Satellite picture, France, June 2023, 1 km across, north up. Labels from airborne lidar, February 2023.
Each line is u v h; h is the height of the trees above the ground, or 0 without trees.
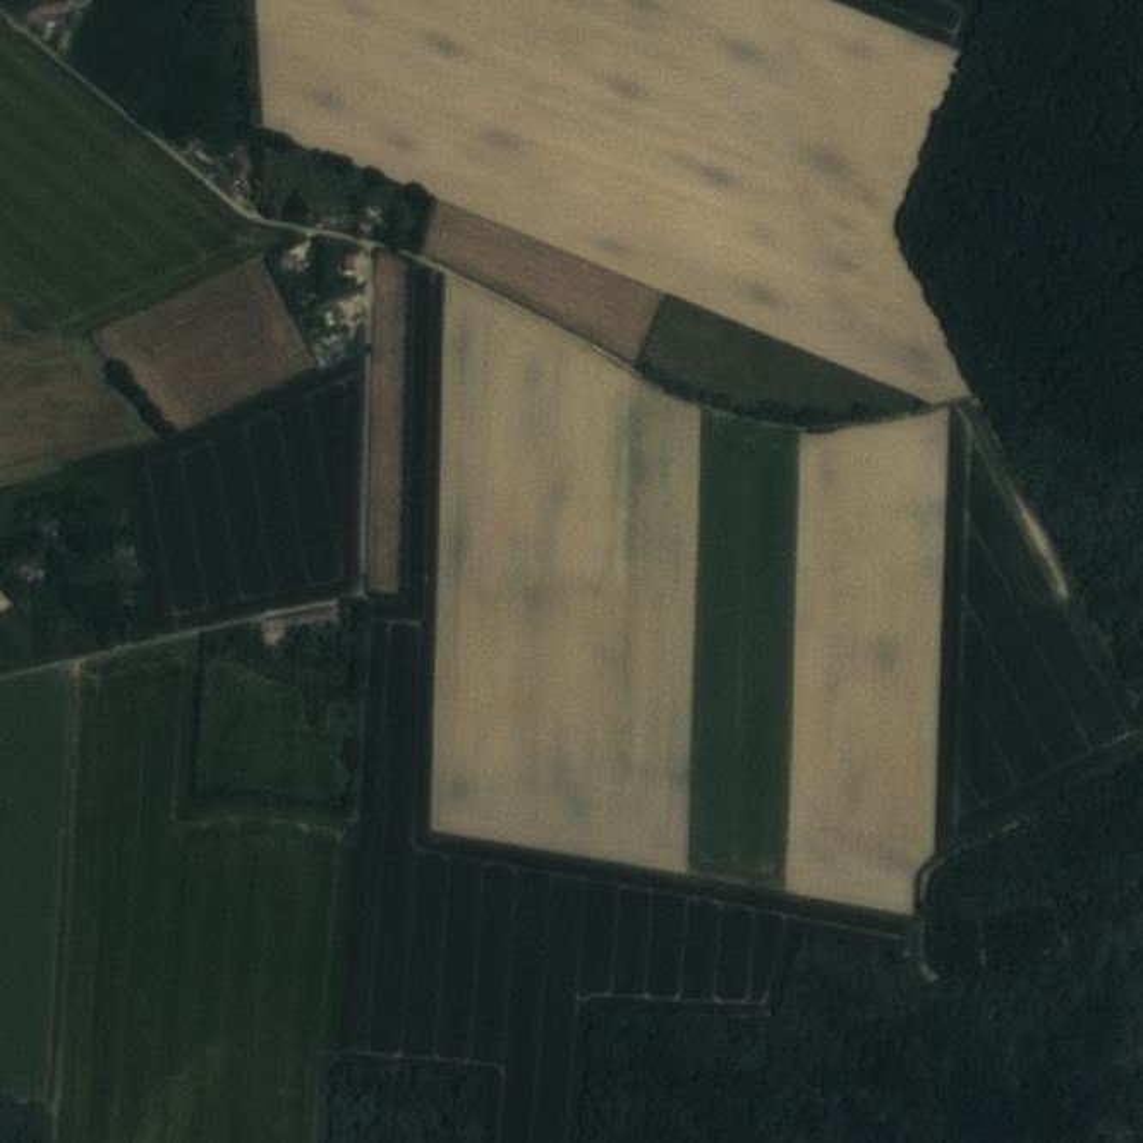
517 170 0
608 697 0
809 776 0
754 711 0
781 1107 27
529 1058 0
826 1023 24
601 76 0
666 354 0
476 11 0
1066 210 31
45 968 0
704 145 0
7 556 14
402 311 0
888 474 0
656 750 0
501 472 0
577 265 0
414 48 0
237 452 0
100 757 0
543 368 0
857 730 0
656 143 0
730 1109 26
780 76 0
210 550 0
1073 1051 24
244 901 0
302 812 0
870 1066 23
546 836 0
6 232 0
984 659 0
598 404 0
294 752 0
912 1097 26
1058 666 0
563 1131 0
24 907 0
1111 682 0
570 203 0
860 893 0
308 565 0
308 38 0
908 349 0
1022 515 0
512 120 0
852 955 14
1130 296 30
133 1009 0
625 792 0
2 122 0
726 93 0
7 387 0
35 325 0
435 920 0
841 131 0
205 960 0
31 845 0
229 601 0
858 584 0
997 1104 27
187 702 0
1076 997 23
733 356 0
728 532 0
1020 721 0
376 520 0
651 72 0
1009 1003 20
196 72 0
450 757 0
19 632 0
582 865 0
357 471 0
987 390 23
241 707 0
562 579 0
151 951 0
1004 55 27
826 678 0
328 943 0
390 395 0
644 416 0
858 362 0
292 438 0
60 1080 0
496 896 0
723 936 0
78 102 0
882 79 0
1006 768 0
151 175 0
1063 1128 24
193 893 0
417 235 14
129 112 10
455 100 0
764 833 0
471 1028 0
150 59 0
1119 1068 27
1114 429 24
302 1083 0
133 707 0
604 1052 13
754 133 0
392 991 0
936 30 0
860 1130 24
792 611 0
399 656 0
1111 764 0
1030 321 31
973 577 0
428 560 0
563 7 0
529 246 0
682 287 0
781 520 0
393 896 0
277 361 0
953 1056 26
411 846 0
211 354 0
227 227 0
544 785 0
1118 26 31
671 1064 24
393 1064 0
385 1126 19
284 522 0
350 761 14
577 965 0
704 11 0
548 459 0
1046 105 32
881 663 0
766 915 0
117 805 0
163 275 0
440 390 0
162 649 0
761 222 0
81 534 9
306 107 0
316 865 0
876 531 0
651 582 0
